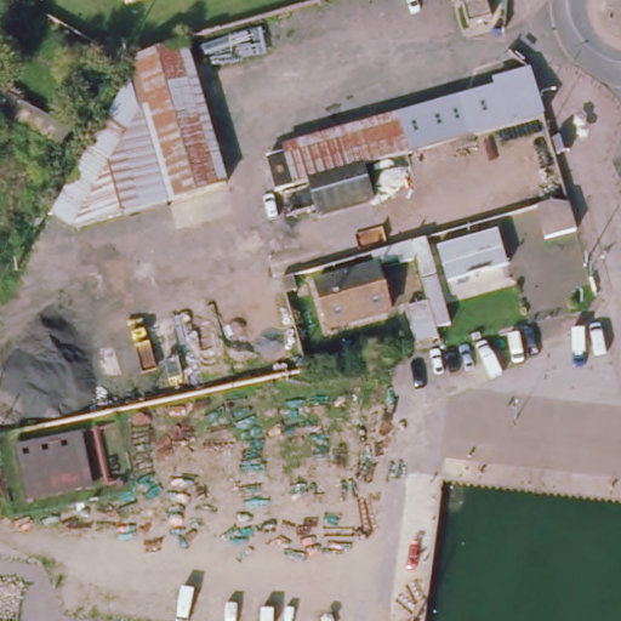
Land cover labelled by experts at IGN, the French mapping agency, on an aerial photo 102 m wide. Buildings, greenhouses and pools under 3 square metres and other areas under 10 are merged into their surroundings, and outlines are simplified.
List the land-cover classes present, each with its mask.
<instances>
[{"label":"impervious surface","instance_id":"1","mask_svg":"<svg viewBox=\"0 0 621 621\"><path fill-rule=\"evenodd\" d=\"M298 15L291 22H257L243 27V32L262 29L267 49L252 51L250 56H240L238 61H228L221 70L204 53V36L201 29H192L189 49L209 107L213 133L221 148L223 167L230 177L226 182L204 184L192 192H175L170 201L160 206L133 211L119 218L97 221L90 226H70L56 216H49L46 230L36 238L32 247L19 286L12 291V296L5 301L0 311V349L10 340L24 335L27 325L34 318H39L46 308L61 306L68 298H73V311L63 320L70 323L78 315L85 320H95L99 325L92 337V349L99 354L97 400L68 408V417L46 422H41V417H19L12 425H0V432H7L15 441L19 439L27 432L104 420L114 412L136 415L146 408H163L206 395H223L252 383L281 381V374H286L289 369H301L303 361H308L303 354V344L298 340L289 294L308 298L318 315L323 311V294H318L315 289V279L323 274V269L359 257H371V250L415 238H425L427 245H439L488 228H497L507 255V279H512L514 284H519L522 289L526 315L505 337L490 335L488 327L478 325L475 332H471V344L444 349L439 335L434 340H415L410 359L398 364V369L393 371V386L376 388L371 403L383 408L381 434H391V444L383 449L391 458L388 473H393L395 478H405V509L400 519V541L395 560L398 568L391 589L393 621H427V594L432 580L444 483L621 502V0H500L497 7L490 10L485 17L468 19L461 0H306L294 5ZM526 65L534 70L539 85L543 119L492 131L490 136L461 133L454 138L405 150L391 146L386 158H381L378 163L371 160L366 165L369 189L376 196H371L364 204L320 213L315 206H311V194L303 189L308 182L303 177H291L284 184H277L272 177V148L284 150L289 141H296L308 133H318L349 121L369 119L376 114L405 109L412 104L490 85L492 78ZM553 199L570 204L575 216V233L546 240L543 223L539 216L531 213L529 206ZM585 284L594 289L592 311H568V303H572V291H580V286ZM92 439L102 485H119V492H126L129 485L124 480L109 478L102 434H95ZM0 575H10L24 582V589L17 597V611L10 619H0V621H92L73 616L68 609H63L58 587L51 585L49 572L41 565L17 563L0 551Z\"/></svg>","mask_w":621,"mask_h":621},{"label":"bare soil","instance_id":"2","mask_svg":"<svg viewBox=\"0 0 621 621\"><path fill-rule=\"evenodd\" d=\"M284 410H289V417H279V427L264 432L260 417L255 415L250 417V425L243 432L245 441H238L228 429L221 432L223 446L187 451V446L180 441L172 454L163 456V461H155L153 483L129 485L126 492H119V485H102L90 490L95 497L75 502L65 507L63 514L46 517L41 522L10 519L0 514V551L17 563L41 565L49 572L51 585L58 587L63 609H68L73 616L92 621H393L391 589L398 568L395 560L400 541V519L405 509V478H395L393 473H388L391 458L383 449L391 444V434H381L383 408L371 403L366 408L361 405V398H352L349 420H344L330 417L323 405H303L286 398Z\"/></svg>","mask_w":621,"mask_h":621},{"label":"building","instance_id":"3","mask_svg":"<svg viewBox=\"0 0 621 621\"><path fill-rule=\"evenodd\" d=\"M468 19L485 17L490 10L497 7L500 0H461ZM267 49L262 29L243 32L223 41H216V36H204V53L221 70L228 61H238L240 56H250L252 51ZM129 85H124L116 95L107 129L99 131L97 143L82 153L78 172L63 187V192L49 209V216H56L70 226H90L97 221L119 218L133 211L160 206L170 201L175 192H192L204 184L226 182L230 177L223 167L221 148L213 133L209 107L189 49L170 51L165 44H155L138 51L136 58V65L126 73ZM543 119L539 85L534 70L526 65L492 78L490 85L412 104L405 109L376 114L369 119L349 121L318 133H308L296 141H289L284 150L272 148V177L277 184H284L291 177H303L308 182L303 189L311 194V206H315L320 213L364 204L371 196H376L369 189L366 165L371 160L378 163L381 158H386L391 146L405 150L454 138L461 133L490 136L492 131ZM0 114H5L12 121H27L32 129H39V133H44L46 138L61 141L65 136V129L53 121L49 112L32 107L24 99V95L15 85L0 90ZM531 213L539 216L543 223L546 240L575 233V216L570 204L553 199L529 206ZM514 284L512 279H507V255L497 228H488L439 245H427L425 238H415L371 250V257H359L323 269V274L315 279V289L318 294H323V311L318 315L320 332L327 337L342 330L383 323L391 315H405L410 320L415 340H434L439 335V327H446L451 320L446 311L449 301L473 298ZM19 475L24 483L22 497L27 502L70 490H90L92 475L80 432L32 441L19 439L15 441Z\"/></svg>","mask_w":621,"mask_h":621},{"label":"herbaceous vegetation","instance_id":"4","mask_svg":"<svg viewBox=\"0 0 621 621\"><path fill-rule=\"evenodd\" d=\"M306 0H0V29L5 44H10L19 56L29 61L24 65L22 82H27L32 90L24 95V99L32 107L49 112V102L46 97H41V92L56 82L51 75L53 51L61 49L65 41L99 46L104 56H109L112 51H121L124 56L136 58L138 51L155 44H165L170 51L189 49L192 29H201L204 36H216V41H223L243 32V27L257 22H291L298 15L294 5ZM446 311L451 320L446 327H439V335L444 349L471 344V332H475L478 325L488 327L490 335L505 337L526 315L522 289L519 284H514L473 298L449 301ZM594 289L585 284L580 286V291H572V303H568V311H592ZM298 340L303 344V354L308 361H303L301 369H289L286 374H281V381L252 383L223 395H206L163 408H146L136 415L114 412L104 420L27 432L19 439L32 441L80 432L92 475L90 490L102 485L92 439L95 434H102L109 478L124 480L129 485L153 483L155 461H163V456L172 454L180 441L187 446V451L223 446L221 432L228 429L238 441H245L243 432L250 425V417L255 415L260 417L264 432L279 427V417H289V410H284L286 398L303 405H323L330 417L344 420H349L352 398H361V405L366 408L371 403L376 388L393 386V371L398 369V364L393 357L383 354V340H415L410 320L405 315H391L383 323L342 330L327 337L320 332L318 315L308 298L289 294ZM352 347L364 349L366 371L361 376H342L337 371L335 359L330 357L342 354ZM24 483L19 475L15 441L7 432H0V514L10 519L41 522L46 517L63 514L65 507L75 502L95 497L90 490H70L27 502L22 497Z\"/></svg>","mask_w":621,"mask_h":621},{"label":"water","instance_id":"5","mask_svg":"<svg viewBox=\"0 0 621 621\"><path fill-rule=\"evenodd\" d=\"M427 621H621V502L444 483L432 580L427 594Z\"/></svg>","mask_w":621,"mask_h":621},{"label":"brushwood","instance_id":"6","mask_svg":"<svg viewBox=\"0 0 621 621\"><path fill-rule=\"evenodd\" d=\"M29 61L19 56L10 44H5L0 29V90L15 85L24 95L32 90L27 82H22L24 65ZM136 65V58L124 56L121 51H112L109 56H104L99 46L65 41L61 49L53 51L51 75L56 82L41 92V97H46L49 102V112L53 121L65 129V136L61 141L46 138L44 133H39V129H32L27 121H12L5 114H0V311L5 301L12 296V291L19 286L32 247L36 238L46 230L49 216V209L63 192V187L78 172L82 153L97 143L99 131L107 129L116 95L124 85H129L126 73Z\"/></svg>","mask_w":621,"mask_h":621},{"label":"pervious surface","instance_id":"7","mask_svg":"<svg viewBox=\"0 0 621 621\"><path fill-rule=\"evenodd\" d=\"M73 311V298H68L61 306L46 308L39 318H34L27 325L24 335L10 340L0 349V425H12L19 417H41V422H46L68 417V408L97 400L99 354L92 349V337L99 325L95 320H85L78 315L70 323L63 320ZM24 589V582L10 575H0V619H10L17 611V597Z\"/></svg>","mask_w":621,"mask_h":621},{"label":"deciduous trees","instance_id":"8","mask_svg":"<svg viewBox=\"0 0 621 621\"><path fill-rule=\"evenodd\" d=\"M415 340H383V354L393 357L398 364L410 359ZM330 357L335 359L337 371L342 376H361L366 371L364 349L352 347L342 354Z\"/></svg>","mask_w":621,"mask_h":621}]
</instances>
